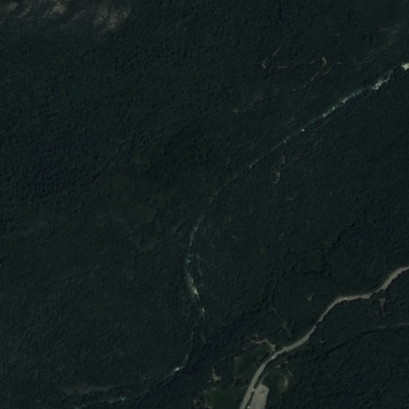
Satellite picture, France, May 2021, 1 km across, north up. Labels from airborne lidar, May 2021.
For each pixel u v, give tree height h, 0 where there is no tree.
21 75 15
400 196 13
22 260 13
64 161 13
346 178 10
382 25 6
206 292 9
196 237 13
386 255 12
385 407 18
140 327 7
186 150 19
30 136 14
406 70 7
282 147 13
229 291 13
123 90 12
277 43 9
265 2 12
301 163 11
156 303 10
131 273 7
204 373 19
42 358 8
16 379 7
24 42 8
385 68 10
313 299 8
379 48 8
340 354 17
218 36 17
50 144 6
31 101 15
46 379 10
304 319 18
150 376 8
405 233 9
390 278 0
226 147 8
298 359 16
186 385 19
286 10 25
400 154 15
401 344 13
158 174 10
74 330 12
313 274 20
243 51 19
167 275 7
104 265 6
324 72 15
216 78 14
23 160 10
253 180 7
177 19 15
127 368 14
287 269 17
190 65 12
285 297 8
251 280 13
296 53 16
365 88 15
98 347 10
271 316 17
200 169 11
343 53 10
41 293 8
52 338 13
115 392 15
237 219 9
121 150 16
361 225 21
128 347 7
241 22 14
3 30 9
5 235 15
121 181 19
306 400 14
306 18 9
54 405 10
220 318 11
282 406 8
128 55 13
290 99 8
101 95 21
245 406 0
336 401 13
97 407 17
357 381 15
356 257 16
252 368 0
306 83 6
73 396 10
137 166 19
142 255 11
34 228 15
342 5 8
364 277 17
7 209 16
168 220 11
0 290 11
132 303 9
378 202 13
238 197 8
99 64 14
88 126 17
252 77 7
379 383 16
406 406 11
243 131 11
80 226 13
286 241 11
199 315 13
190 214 7
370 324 14
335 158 11
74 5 9
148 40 11
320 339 12
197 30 14
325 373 16
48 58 9
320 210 12
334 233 12
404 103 13
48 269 12
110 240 6
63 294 8
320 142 8
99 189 21
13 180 16
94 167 13
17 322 10
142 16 14
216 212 7
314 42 6
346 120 9
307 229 13
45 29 9
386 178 17
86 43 6
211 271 6
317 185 8
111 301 10
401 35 7
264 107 12
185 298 9
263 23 15
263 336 14
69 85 22
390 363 11
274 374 0
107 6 0
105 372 15
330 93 11
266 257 13
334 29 17
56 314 9
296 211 13
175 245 7
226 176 16
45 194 21
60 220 16
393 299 15
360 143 12
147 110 19
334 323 16
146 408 11
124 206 7
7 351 8
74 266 11
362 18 7
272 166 12
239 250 12
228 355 15
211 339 20
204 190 8
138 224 8
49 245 13
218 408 0
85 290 8
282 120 10
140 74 14
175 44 16
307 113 7
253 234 13
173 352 8
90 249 10
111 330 7
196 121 14
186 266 9
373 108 10
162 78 20
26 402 13
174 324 9
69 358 9
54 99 17
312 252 17
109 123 16
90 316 8
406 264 14
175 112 20
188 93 10
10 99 16
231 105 9
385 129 11
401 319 17
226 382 10
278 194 6
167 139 10
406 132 20
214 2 13
